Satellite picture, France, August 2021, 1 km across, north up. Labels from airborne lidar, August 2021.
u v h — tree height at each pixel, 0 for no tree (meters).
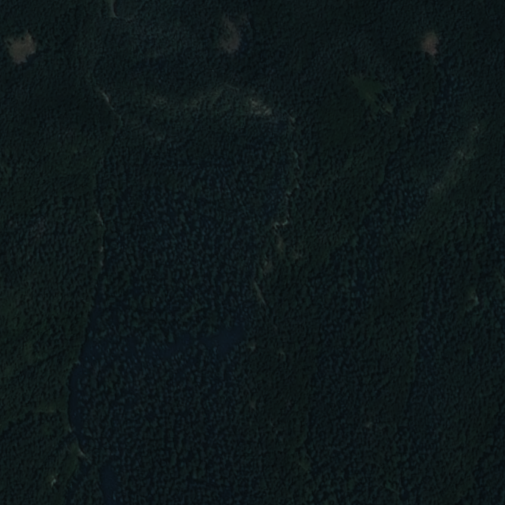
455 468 19
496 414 21
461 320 17
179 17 16
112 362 27
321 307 14
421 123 28
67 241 34
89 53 10
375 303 26
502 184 26
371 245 18
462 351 26
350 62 24
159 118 15
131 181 24
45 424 26
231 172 34
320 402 16
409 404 20
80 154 13
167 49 11
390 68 25
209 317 22
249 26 7
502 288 12
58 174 21
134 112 18
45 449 24
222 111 9
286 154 18
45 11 27
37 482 23
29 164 21
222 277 27
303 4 17
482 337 26
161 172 31
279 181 10
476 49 21
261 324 20
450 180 9
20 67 24
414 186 21
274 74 28
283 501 21
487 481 28
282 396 20
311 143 33
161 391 18
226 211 13
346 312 15
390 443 21
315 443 28
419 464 13
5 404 24
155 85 20
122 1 22
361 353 16
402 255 19
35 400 23
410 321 23
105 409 29
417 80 26
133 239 19
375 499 19
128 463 25
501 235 32
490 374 27
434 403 18
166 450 16
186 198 23
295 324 20
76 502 31
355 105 20
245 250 19
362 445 17
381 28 24
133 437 15
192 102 12
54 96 35
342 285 14
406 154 29
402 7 33
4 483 25
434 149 21
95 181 7
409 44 34
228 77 22
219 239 16
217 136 21
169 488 30
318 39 33
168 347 0
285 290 27
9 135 25
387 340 19
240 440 18
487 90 28
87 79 15
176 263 18
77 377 20
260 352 18
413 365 20
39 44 6
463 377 25
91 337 24
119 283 19
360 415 19
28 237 22
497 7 25
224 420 28
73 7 18
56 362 41
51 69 28
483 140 20
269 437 18
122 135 14
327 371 20
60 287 26
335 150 25
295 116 26
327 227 30
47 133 29
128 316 37
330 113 23
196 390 20
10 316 15
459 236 32
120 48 19
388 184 28
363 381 24
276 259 17
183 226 34
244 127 10
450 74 34
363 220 16
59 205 32
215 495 25
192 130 17
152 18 10
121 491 21
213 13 33
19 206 16
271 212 8
